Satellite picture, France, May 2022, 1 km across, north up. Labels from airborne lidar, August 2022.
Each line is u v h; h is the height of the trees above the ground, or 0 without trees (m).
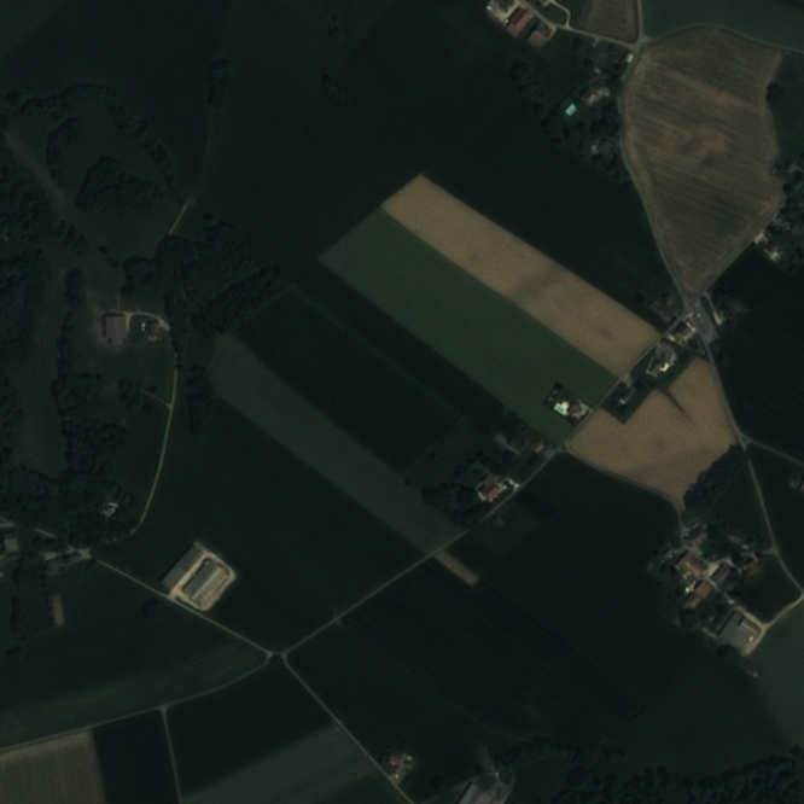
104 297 0
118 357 0
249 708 0
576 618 0
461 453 0
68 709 0
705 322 0
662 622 0
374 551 0
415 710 0
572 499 0
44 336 0
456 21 0
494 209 0
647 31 0
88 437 17
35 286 19
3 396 13
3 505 18
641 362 0
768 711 0
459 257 0
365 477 0
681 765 0
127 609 0
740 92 0
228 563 0
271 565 0
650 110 0
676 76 0
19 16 0
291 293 0
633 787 15
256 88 0
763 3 0
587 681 0
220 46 0
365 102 0
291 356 0
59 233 20
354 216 0
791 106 0
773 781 24
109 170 11
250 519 0
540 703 0
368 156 0
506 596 0
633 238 0
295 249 0
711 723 0
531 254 0
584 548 0
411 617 0
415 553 0
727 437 0
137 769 0
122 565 0
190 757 0
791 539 0
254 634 0
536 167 0
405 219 0
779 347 0
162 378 0
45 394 0
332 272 0
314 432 0
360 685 0
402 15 0
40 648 0
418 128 0
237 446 0
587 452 0
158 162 19
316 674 0
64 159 8
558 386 10
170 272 21
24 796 0
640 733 0
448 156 0
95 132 0
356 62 0
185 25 0
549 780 0
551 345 0
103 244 0
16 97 17
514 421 0
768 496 0
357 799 0
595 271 0
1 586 0
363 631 0
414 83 0
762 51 0
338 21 7
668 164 0
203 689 0
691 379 0
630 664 0
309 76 0
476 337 0
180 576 0
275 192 0
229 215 0
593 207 0
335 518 0
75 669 0
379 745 0
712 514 0
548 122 17
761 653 0
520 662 0
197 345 0
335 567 0
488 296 0
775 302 0
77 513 11
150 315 0
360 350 0
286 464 0
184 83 0
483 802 0
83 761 0
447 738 0
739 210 0
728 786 20
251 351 0
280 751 0
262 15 0
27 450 0
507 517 0
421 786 0
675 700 0
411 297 0
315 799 0
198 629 0
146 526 0
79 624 0
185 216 0
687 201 0
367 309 0
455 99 0
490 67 0
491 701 0
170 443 0
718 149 0
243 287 21
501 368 0
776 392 0
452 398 0
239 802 0
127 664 0
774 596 0
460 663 0
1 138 17
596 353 0
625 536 0
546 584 0
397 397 0
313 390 0
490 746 0
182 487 0
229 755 0
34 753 0
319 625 0
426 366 0
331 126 0
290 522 0
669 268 0
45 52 0
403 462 0
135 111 0
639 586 0
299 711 0
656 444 0
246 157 0
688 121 0
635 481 0
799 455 0
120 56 0
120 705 0
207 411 21
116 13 0
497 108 0
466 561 0
